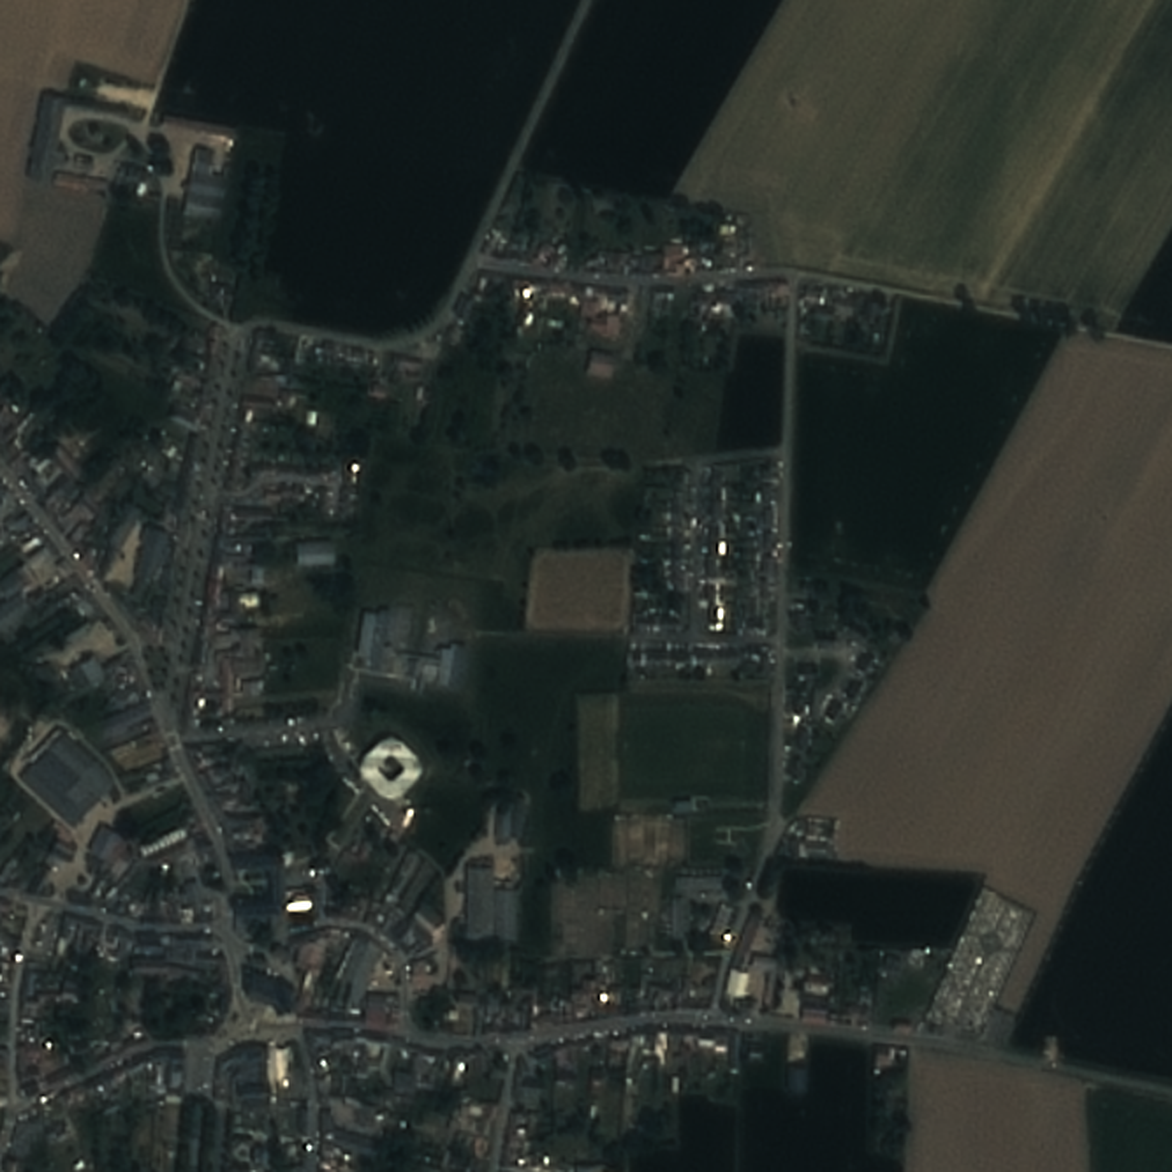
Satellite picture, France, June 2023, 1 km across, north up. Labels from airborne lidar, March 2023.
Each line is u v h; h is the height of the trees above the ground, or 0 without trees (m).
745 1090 0
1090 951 0
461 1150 7
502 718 0
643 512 7
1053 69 0
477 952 16
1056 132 0
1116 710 0
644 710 0
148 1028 10
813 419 0
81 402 14
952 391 0
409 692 0
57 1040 9
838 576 0
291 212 0
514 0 0
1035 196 0
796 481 0
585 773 0
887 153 0
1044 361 0
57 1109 0
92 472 10
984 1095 0
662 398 0
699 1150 0
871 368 0
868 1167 0
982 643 0
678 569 0
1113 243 0
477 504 0
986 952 0
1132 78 0
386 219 0
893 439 0
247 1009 0
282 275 0
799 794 0
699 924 0
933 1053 0
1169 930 0
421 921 0
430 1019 9
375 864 0
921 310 0
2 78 0
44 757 0
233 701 0
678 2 0
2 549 0
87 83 0
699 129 0
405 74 0
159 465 0
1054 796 0
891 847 0
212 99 0
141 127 0
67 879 0
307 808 21
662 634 0
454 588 0
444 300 0
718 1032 0
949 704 0
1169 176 0
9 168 0
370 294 0
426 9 0
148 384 7
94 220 0
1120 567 0
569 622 0
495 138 0
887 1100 11
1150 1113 0
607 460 11
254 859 0
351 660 0
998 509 0
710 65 0
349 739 0
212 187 0
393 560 0
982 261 0
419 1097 6
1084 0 0
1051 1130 0
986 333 0
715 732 0
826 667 0
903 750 0
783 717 0
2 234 0
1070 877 0
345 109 0
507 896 0
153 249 0
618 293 0
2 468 0
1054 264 0
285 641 0
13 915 0
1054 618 0
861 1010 0
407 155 0
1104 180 0
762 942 0
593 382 0
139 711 0
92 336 7
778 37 0
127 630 0
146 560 0
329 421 0
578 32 0
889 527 0
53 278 0
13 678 0
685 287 0
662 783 0
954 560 0
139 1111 7
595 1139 11
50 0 0
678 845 0
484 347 13
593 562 0
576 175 0
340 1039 0
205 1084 0
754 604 0
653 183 0
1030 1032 0
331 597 16
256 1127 0
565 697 0
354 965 0
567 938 0
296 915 16
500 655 0
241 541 0
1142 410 0
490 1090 0
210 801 0
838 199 0
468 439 0
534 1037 0
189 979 11
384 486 0
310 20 0
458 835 0
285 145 0
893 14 0
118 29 0
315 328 0
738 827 0
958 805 0
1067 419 0
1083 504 0
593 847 0
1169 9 0
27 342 9
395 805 0
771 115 0
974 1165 0
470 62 0
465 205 0
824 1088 0
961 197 0
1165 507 0
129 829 15
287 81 0
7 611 0
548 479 0
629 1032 0
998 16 0
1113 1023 0
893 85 0
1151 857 0
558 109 0
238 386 0
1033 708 0
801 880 0
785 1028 0
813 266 0
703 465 0
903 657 0
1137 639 0
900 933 0
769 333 0
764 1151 0
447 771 0
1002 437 0
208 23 0
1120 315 0
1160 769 0
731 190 0
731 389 0
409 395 0
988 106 0
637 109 0
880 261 0
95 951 10
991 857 0
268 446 6
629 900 0
